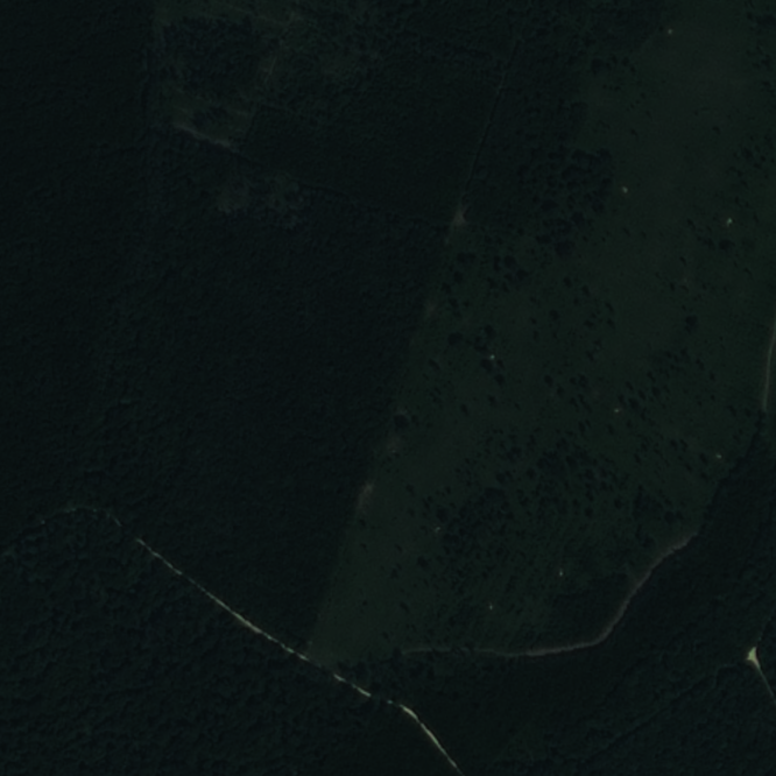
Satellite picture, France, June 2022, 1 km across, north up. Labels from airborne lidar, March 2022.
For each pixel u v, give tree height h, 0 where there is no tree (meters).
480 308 0
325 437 0
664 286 0
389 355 0
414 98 0
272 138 0
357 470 0
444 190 0
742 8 0
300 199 0
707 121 0
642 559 0
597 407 0
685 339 0
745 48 0
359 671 0
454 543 0
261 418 0
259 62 0
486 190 0
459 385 0
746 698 24
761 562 25
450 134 0
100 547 23
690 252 0
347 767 0
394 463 0
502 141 0
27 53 0
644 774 22
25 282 0
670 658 20
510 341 0
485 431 0
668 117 0
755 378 0
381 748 0
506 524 0
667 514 0
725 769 20
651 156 0
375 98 0
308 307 0
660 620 16
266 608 0
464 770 0
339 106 0
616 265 0
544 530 0
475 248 0
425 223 0
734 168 0
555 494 0
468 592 0
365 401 0
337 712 22
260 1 0
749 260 0
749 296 0
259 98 0
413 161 0
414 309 0
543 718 0
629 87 0
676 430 0
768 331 0
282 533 0
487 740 0
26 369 0
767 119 0
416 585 0
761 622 16
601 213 21
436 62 0
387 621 0
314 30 0
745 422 0
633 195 0
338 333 0
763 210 0
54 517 0
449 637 0
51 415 0
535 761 0
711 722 23
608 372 0
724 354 0
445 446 0
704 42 0
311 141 0
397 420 0
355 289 0
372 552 0
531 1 0
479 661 0
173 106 0
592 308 0
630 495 0
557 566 0
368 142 0
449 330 0
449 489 0
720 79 0
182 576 0
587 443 0
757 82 0
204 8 0
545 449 0
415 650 0
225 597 0
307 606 0
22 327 0
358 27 0
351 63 0
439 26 0
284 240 0
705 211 0
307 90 0
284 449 0
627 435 0
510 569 0
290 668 0
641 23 19
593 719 19
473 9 0
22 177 0
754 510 19
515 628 0
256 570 0
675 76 0
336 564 0
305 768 0
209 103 0
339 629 0
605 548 0
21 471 0
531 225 0
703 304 0
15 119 0
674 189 0
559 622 0
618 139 0
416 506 0
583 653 11
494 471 0
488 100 0
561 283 0
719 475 0
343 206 0
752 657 0
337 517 0
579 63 17
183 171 0
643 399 18
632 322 0
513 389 0
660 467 0
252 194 0
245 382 0
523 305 0
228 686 0
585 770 25
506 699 0
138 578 0
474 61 0
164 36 0
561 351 0
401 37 0
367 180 0
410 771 0
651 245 0
